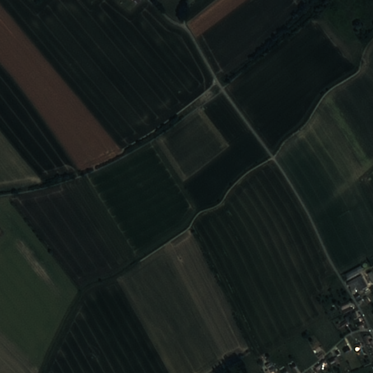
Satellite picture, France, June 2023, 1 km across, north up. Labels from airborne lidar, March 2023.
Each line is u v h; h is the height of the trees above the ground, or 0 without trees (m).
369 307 0
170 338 0
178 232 0
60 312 0
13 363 0
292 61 0
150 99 0
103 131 0
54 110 0
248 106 0
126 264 0
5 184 0
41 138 0
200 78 0
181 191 0
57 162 0
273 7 0
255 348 0
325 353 0
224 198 0
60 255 0
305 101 0
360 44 0
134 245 0
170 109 0
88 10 0
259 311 0
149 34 0
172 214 0
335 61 0
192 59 0
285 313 0
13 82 0
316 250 0
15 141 0
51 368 0
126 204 0
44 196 0
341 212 0
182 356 0
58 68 0
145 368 0
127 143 0
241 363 14
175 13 0
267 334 0
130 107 0
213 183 0
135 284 0
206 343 0
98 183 0
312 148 0
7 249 0
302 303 0
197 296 0
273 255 0
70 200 0
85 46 0
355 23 14
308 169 0
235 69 0
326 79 0
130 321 0
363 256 0
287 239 0
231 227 0
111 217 0
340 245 0
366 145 0
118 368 0
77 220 0
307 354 0
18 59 0
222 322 0
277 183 0
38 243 0
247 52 0
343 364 0
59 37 0
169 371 0
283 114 0
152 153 0
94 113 0
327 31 0
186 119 0
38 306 0
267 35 0
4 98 0
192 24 0
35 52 0
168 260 0
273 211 0
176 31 0
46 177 0
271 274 0
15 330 0
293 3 0
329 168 0
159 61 0
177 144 0
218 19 0
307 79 0
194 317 0
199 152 0
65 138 0
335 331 0
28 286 0
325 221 0
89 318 0
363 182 0
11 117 0
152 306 0
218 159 0
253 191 0
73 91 0
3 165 0
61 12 0
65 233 0
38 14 0
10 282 0
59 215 0
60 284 0
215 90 0
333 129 0
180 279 0
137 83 0
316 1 7
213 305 0
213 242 0
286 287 0
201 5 0
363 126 0
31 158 0
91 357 0
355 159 0
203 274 0
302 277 0
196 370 0
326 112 0
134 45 0
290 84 0
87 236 0
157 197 0
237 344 0
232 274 0
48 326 0
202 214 0
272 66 0
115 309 0
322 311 0
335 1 0
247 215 0
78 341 0
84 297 0
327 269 0
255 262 0
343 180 0
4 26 0
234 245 0
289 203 0
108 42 0
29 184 0
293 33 7
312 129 0
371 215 0
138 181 0
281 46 0
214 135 0
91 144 0
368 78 0
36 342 0
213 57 0
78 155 0
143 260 0
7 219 0
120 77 0
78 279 0
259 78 0
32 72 0
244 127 0
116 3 0
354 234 0
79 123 0
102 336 0
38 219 0
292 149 0
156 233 0
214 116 0
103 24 0
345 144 0
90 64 0
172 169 0
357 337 0
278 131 0
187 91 0
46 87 0
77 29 0
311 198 0
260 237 0
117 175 0
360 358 0
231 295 0
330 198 0
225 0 0
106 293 0
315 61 0
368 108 0
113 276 0
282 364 0
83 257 0
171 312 0
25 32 0
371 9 0
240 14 0
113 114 0
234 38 0
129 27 0
